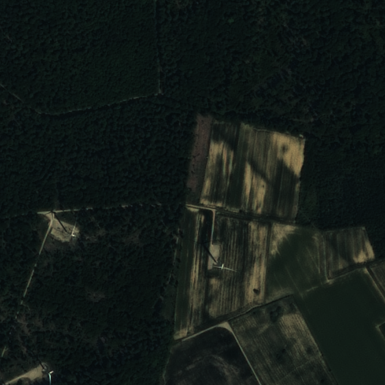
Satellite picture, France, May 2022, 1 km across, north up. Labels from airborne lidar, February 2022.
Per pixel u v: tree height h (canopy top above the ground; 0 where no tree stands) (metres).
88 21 27
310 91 33
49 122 26
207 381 0
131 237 0
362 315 0
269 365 0
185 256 0
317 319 0
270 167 0
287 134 0
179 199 24
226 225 0
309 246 0
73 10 24
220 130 0
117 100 16
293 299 0
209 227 0
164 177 34
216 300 0
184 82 29
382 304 0
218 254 0
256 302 0
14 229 24
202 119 0
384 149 21
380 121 32
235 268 0
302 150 0
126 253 10
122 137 33
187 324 0
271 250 0
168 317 0
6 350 0
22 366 0
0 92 23
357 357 0
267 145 0
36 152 26
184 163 31
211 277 0
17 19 28
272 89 31
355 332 0
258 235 0
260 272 0
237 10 20
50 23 27
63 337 28
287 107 24
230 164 0
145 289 13
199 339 0
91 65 22
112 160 35
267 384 0
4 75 24
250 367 0
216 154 0
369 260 0
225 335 0
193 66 29
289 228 0
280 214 0
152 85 19
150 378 14
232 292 0
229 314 0
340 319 0
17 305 30
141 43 25
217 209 0
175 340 0
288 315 0
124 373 29
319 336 0
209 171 0
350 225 8
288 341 0
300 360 0
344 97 33
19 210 23
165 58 24
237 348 0
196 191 0
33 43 29
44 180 30
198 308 0
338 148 32
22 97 24
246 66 28
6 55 27
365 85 31
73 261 9
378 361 0
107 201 27
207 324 0
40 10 28
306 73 29
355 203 16
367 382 0
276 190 0
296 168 0
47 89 27
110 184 31
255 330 0
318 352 0
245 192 0
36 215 24
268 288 0
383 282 0
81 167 33
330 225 17
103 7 26
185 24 28
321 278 0
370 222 13
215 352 0
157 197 26
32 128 30
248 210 0
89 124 24
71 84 24
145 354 22
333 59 8
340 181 10
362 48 34
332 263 0
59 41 31
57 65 31
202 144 0
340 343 0
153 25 23
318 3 30
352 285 0
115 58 25
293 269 0
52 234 0
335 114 30
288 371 0
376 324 0
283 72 0
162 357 19
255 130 0
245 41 32
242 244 0
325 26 30
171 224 34
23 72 29
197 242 0
